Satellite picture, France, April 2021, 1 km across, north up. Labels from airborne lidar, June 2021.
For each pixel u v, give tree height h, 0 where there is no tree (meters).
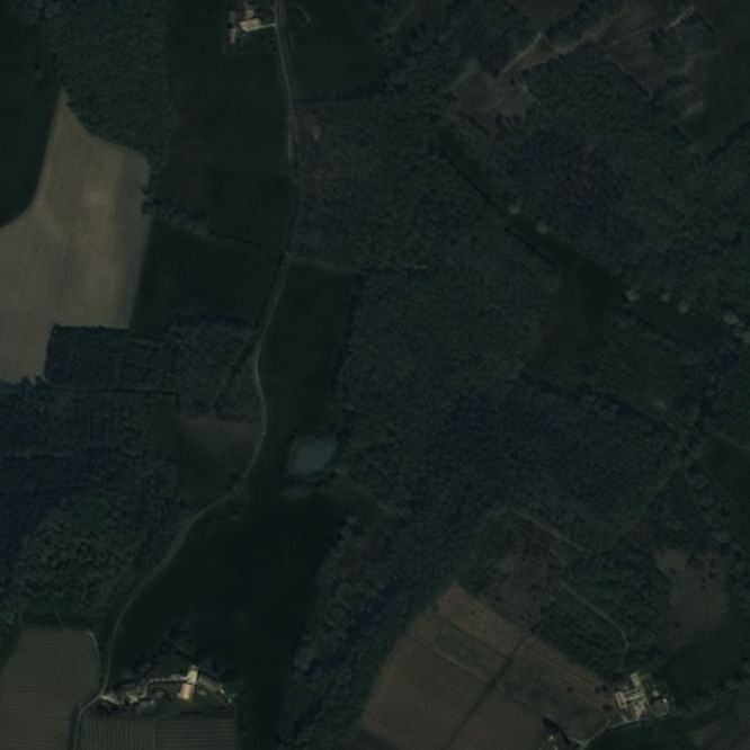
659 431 21
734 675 0
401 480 18
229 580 0
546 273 24
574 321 0
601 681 0
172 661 0
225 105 0
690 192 19
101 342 12
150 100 23
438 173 22
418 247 15
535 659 0
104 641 9
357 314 18
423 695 0
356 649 17
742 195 17
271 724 0
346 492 0
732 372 23
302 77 0
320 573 17
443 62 16
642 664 17
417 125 21
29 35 0
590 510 20
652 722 0
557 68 19
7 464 11
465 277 19
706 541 11
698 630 0
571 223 17
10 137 0
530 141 12
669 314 0
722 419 25
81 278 0
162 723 0
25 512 10
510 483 17
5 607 26
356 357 20
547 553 10
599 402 20
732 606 8
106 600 20
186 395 21
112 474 16
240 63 0
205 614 0
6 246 0
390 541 0
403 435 22
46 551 17
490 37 19
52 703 0
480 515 17
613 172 21
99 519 22
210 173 0
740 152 19
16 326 0
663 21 0
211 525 0
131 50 21
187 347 22
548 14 0
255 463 0
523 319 23
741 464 0
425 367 22
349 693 20
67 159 0
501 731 0
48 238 0
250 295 0
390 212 18
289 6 0
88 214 0
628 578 13
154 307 0
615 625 11
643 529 10
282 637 0
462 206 21
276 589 0
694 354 21
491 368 20
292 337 0
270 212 0
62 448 6
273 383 0
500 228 22
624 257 18
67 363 13
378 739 0
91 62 21
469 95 0
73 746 0
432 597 22
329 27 0
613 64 17
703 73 0
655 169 22
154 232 0
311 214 11
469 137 18
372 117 19
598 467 20
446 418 19
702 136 0
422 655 0
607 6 16
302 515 0
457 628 0
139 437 14
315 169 14
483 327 23
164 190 0
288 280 0
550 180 13
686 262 14
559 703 0
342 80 0
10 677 0
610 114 22
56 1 26
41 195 0
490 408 20
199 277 0
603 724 0
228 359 23
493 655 0
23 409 12
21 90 0
